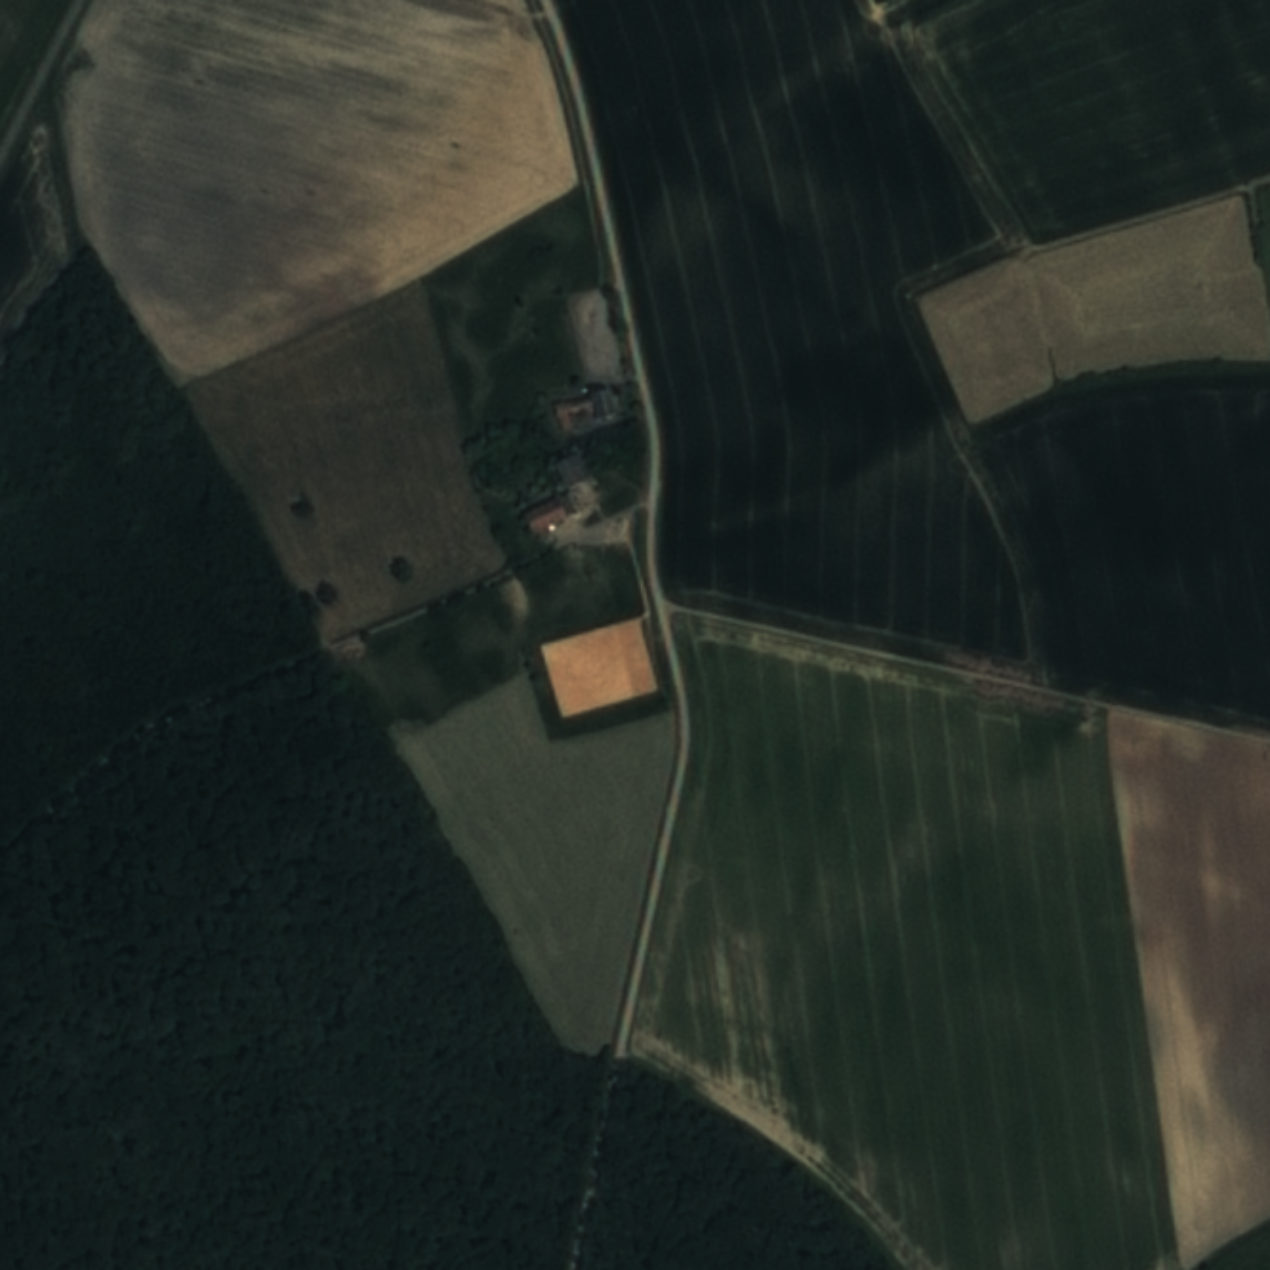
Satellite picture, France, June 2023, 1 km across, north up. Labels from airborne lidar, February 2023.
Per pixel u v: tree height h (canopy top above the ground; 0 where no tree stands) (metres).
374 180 0
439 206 0
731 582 0
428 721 0
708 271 0
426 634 0
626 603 0
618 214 0
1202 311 0
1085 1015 0
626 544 0
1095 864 0
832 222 0
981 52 0
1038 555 0
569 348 0
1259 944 0
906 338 0
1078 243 0
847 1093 0
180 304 0
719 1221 27
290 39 0
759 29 0
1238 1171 0
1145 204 0
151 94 0
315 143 0
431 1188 28
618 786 0
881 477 0
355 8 0
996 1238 0
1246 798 0
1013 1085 0
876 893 0
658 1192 24
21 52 0
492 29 0
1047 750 0
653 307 0
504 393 0
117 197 0
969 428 0
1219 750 0
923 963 0
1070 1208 0
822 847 0
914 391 0
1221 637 0
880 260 0
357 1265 21
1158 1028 0
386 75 0
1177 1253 0
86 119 0
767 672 0
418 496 0
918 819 0
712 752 0
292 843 28
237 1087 17
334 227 0
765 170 0
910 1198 0
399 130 0
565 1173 25
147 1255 23
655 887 0
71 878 29
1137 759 0
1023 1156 0
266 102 0
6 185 0
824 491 0
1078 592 0
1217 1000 0
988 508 0
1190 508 0
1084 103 0
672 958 0
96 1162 28
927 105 0
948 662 0
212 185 0
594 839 0
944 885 0
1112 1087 0
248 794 29
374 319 0
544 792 0
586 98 0
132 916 31
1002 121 0
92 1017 27
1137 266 0
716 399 0
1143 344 0
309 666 15
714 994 0
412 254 0
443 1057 18
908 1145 0
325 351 0
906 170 0
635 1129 22
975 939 0
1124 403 0
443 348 0
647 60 0
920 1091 0
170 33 0
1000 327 0
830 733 0
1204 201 0
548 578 0
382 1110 28
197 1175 23
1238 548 0
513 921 0
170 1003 25
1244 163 0
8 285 0
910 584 0
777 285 0
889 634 0
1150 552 0
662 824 0
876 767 0
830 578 0
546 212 0
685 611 0
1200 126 0
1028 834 0
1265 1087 0
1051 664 0
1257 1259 0
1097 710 0
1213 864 0
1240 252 0
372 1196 28
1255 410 0
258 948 28
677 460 0
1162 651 0
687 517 0
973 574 0
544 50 0
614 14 0
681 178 0
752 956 0
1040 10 0
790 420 0
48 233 0
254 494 0
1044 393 0
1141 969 0
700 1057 0
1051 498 0
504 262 0
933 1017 0
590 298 0
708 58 0
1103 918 0
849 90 0
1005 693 0
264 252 0
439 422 0
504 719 0
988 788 0
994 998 0
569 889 0
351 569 0
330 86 0
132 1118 30
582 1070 19
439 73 0
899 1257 0
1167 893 0
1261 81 0
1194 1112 0
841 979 0
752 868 0
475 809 0
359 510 0
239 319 0
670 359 0
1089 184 0
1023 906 0
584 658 0
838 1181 0
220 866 31
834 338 0
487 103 0
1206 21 0
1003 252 0
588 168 0
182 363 0
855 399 0
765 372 0
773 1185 24
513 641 0
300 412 0
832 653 0
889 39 0
